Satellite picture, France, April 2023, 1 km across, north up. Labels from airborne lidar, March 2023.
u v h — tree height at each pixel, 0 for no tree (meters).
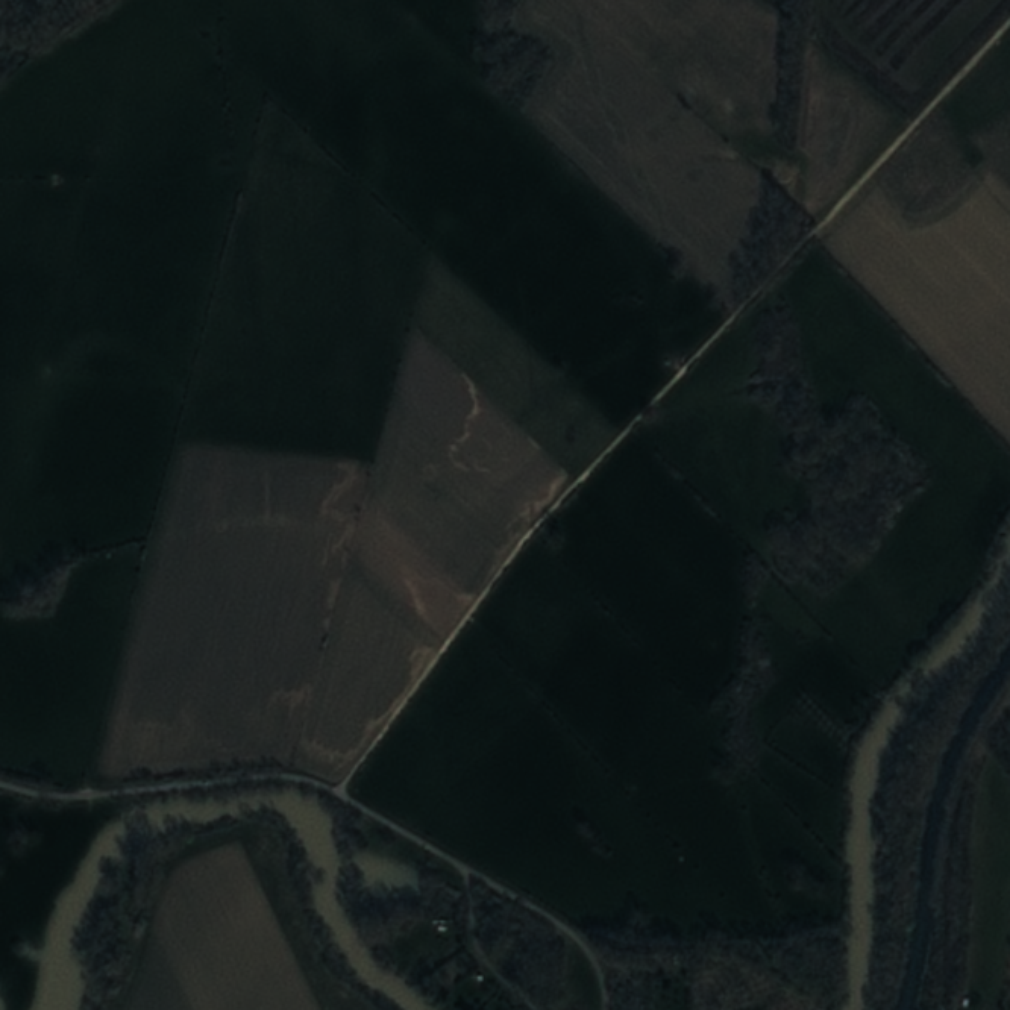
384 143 0
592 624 0
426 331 0
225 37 0
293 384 0
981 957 0
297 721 0
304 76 0
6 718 0
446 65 0
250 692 0
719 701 12
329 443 0
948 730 31
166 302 0
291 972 0
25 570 0
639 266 0
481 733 0
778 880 0
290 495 0
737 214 0
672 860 0
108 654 0
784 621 0
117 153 0
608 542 0
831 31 0
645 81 0
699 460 0
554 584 0
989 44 0
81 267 0
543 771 0
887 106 0
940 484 0
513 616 0
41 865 0
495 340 0
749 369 0
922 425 0
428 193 0
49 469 0
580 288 0
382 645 0
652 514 0
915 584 0
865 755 0
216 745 0
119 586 0
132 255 0
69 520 0
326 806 16
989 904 0
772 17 0
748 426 0
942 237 0
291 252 0
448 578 0
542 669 0
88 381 0
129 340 0
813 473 21
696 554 0
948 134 0
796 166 0
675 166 0
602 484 0
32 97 0
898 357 0
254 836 0
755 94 0
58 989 0
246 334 0
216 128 0
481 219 0
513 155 0
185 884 0
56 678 0
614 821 0
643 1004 9
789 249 21
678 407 0
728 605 0
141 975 0
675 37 0
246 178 0
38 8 25
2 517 0
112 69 0
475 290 0
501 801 0
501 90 10
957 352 0
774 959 20
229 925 0
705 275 0
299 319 0
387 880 0
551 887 0
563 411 0
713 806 0
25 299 0
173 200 0
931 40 0
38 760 0
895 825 29
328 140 0
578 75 0
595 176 0
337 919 0
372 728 0
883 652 0
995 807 0
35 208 0
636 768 0
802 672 0
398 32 0
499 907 14
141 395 0
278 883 0
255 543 0
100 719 0
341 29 0
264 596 0
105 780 0
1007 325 0
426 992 16
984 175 0
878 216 0
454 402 0
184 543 0
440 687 0
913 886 18
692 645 0
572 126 0
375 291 0
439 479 0
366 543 0
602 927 11
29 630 0
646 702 0
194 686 0
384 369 0
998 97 0
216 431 0
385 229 0
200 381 0
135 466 0
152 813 0
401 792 0
